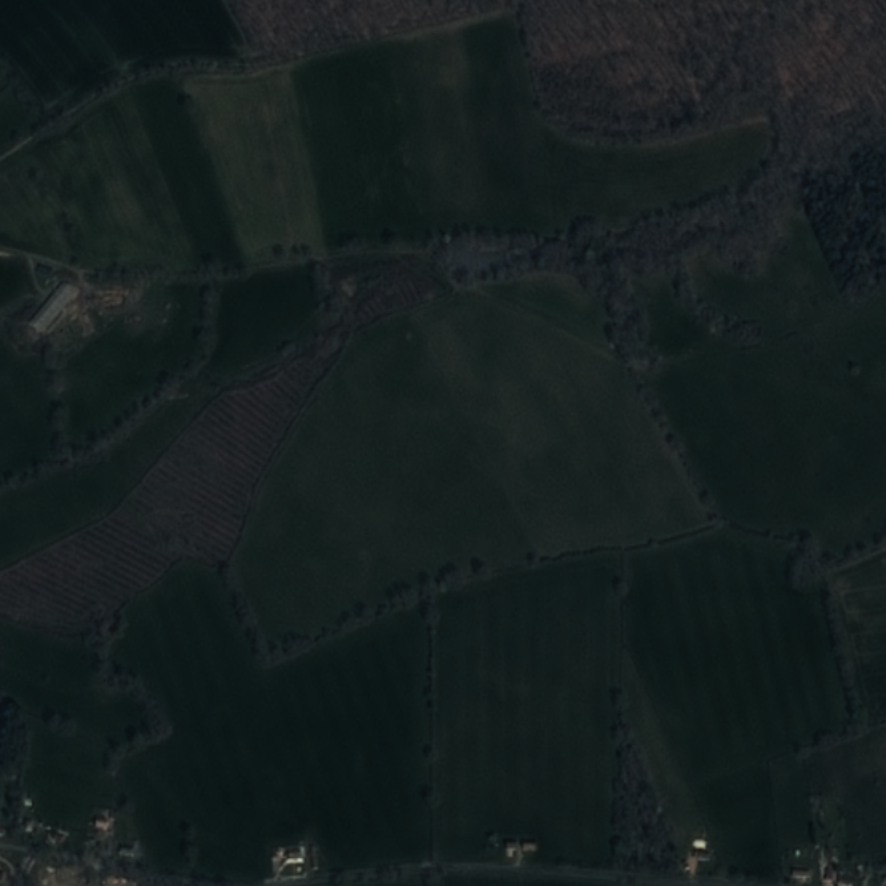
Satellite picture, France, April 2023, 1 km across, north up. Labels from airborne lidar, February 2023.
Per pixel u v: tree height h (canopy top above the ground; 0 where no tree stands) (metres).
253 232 0
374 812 0
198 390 0
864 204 18
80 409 0
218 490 0
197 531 0
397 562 0
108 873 17
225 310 0
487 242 22
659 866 18
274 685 0
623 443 0
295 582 0
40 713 0
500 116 0
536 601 0
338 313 28
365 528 0
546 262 22
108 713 0
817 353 0
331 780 0
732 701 0
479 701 0
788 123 24
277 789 0
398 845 0
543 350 0
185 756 0
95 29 0
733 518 0
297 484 0
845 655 19
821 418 0
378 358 0
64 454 19
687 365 0
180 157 0
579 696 0
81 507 0
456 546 0
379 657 0
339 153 0
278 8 19
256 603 0
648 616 0
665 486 0
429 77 0
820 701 0
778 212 23
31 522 0
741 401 0
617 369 0
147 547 0
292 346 7
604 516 0
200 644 0
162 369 0
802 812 0
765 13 14
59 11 0
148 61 0
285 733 0
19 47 0
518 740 0
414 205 0
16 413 0
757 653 0
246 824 0
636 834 20
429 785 0
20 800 9
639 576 0
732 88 21
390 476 0
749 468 0
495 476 0
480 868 0
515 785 0
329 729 0
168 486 0
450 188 0
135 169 0
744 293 0
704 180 0
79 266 9
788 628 0
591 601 0
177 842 0
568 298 0
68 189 0
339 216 0
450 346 0
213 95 0
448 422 0
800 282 0
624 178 0
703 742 0
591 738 0
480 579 17
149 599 0
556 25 21
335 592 0
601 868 11
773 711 0
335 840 0
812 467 0
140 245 0
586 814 0
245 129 0
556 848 0
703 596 0
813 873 0
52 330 0
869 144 25
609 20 22
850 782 0
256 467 0
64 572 0
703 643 0
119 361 0
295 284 0
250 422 0
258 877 0
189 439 0
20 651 0
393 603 18
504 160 0
